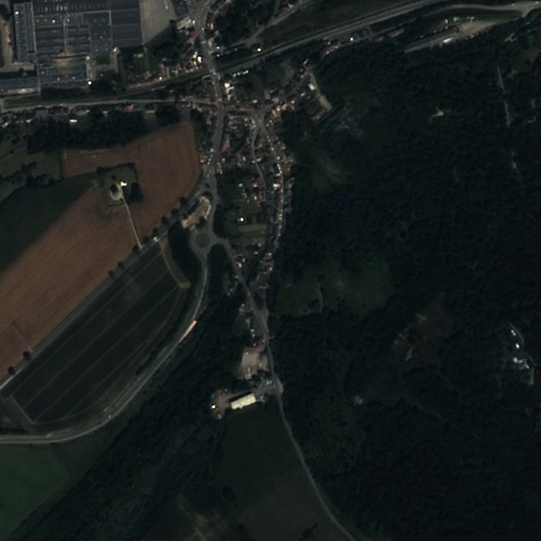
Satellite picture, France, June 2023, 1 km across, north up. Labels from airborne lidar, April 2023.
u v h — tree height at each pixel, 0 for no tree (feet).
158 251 0
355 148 42
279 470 0
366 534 50
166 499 33
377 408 39
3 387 0
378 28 26
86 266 0
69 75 0
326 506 0
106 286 0
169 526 0
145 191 0
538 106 25
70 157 0
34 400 0
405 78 57
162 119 44
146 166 0
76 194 0
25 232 0
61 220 0
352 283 0
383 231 22
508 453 58
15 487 0
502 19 0
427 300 24
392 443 43
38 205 0
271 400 35
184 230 24
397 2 0
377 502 34
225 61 38
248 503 0
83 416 0
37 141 52
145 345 0
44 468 0
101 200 0
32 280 0
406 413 61
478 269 26
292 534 0
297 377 47
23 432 19
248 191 28
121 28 0
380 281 0
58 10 0
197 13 0
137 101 0
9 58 0
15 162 0
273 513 0
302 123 31
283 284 0
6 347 0
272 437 0
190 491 20
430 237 59
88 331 0
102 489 25
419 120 33
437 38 0
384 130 0
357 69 46
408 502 56
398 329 54
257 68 39
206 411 45
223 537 0
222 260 47
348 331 55
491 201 59
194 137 0
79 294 0
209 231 0
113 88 26
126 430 20
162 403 40
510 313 58
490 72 20
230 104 0
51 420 0
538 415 70
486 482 55
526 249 33
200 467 33
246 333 32
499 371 49
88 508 18
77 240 0
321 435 39
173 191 0
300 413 59
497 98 22
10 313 0
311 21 0
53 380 0
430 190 32
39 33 0
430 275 70
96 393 0
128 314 0
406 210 49
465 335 67
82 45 0
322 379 66
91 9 0
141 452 44
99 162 0
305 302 0
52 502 0
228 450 0
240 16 56
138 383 0
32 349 0
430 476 45
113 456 20
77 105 0
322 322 61
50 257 0
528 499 72
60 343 0
